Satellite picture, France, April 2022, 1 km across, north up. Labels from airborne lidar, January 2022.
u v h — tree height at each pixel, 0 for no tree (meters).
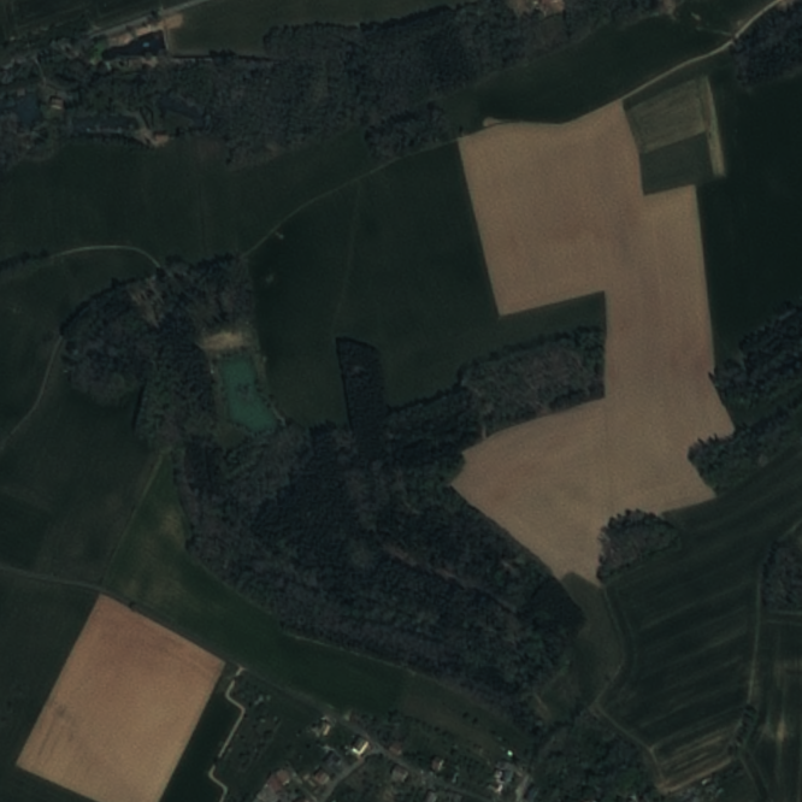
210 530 30
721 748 0
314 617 20
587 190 0
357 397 17
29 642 0
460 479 0
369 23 0
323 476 26
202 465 17
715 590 0
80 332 14
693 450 0
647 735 0
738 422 0
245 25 0
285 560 19
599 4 21
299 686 0
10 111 9
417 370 0
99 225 0
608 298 0
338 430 16
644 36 0
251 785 0
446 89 22
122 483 0
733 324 0
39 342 0
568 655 19
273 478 16
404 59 23
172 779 0
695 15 0
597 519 0
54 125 7
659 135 0
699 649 0
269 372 0
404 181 0
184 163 0
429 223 0
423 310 0
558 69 0
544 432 0
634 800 0
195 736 0
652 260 0
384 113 23
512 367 11
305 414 0
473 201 0
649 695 0
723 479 22
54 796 0
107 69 15
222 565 15
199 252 0
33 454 0
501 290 0
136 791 0
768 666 0
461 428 11
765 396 20
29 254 0
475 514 19
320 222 0
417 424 16
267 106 11
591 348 21
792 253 0
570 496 0
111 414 0
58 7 0
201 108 19
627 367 0
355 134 0
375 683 0
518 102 0
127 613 0
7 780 0
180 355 27
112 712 0
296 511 25
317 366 0
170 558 0
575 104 0
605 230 0
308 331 0
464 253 0
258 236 0
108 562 0
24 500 0
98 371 28
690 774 0
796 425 21
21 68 10
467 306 0
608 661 0
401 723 7
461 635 16
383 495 26
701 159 0
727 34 0
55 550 0
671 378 0
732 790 0
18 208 0
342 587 25
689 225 0
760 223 0
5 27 0
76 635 0
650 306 0
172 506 0
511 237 0
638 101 0
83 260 0
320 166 0
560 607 16
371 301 0
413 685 0
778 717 0
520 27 22
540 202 0
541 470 0
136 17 0
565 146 0
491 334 0
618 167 0
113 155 0
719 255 0
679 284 0
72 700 0
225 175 0
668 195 0
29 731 0
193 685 0
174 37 0
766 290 0
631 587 0
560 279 0
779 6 0
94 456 0
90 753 0
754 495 0
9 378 0
